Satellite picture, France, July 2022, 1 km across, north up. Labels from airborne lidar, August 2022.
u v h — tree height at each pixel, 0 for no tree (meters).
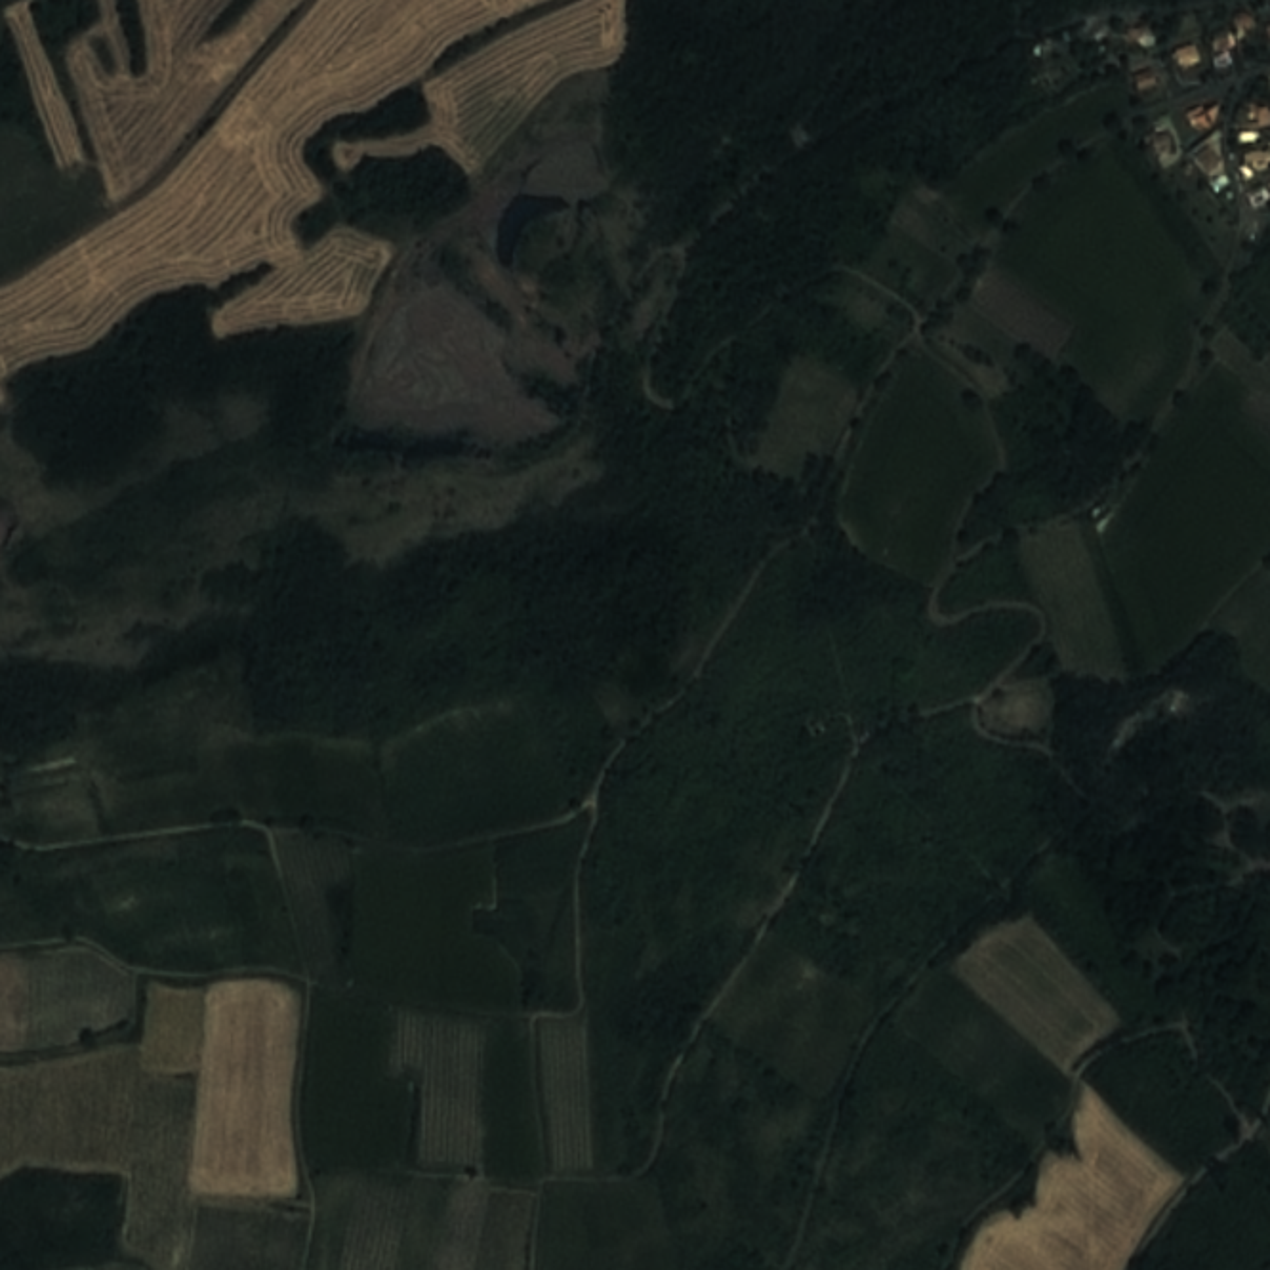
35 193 0
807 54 10
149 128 0
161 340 8
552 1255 0
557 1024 0
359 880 0
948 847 7
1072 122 0
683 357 8
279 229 0
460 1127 0
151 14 0
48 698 9
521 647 10
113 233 0
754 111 7
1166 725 12
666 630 6
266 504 0
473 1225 0
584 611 10
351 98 0
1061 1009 0
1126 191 0
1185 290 0
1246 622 0
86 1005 0
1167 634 0
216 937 0
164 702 0
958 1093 13
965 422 0
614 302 6
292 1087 0
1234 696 7
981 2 10
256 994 0
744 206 8
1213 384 0
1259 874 9
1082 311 0
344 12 0
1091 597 0
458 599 9
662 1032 14
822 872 6
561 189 0
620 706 0
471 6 0
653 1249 0
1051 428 6
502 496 0
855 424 10
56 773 0
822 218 10
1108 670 0
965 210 0
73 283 0
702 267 6
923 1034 0
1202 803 11
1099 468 8
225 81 0
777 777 6
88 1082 0
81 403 7
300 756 0
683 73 12
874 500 0
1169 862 19
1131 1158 0
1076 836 20
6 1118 0
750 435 9
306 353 10
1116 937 7
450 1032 0
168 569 0
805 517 8
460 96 0
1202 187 7
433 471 0
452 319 0
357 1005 0
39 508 0
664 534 7
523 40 0
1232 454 0
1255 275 10
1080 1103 0
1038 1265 0
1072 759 14
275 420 7
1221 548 0
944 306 9
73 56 0
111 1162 0
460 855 0
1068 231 0
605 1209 0
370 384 0
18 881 7
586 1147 0
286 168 0
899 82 15
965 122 13
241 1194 0
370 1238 0
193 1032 0
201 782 0
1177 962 10
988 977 0
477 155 0
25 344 0
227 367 8
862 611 6
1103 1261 0
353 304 0
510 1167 0
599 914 5
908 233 0
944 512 0
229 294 11
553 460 0
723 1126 6
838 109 13
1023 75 8
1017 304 0
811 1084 0
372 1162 0
